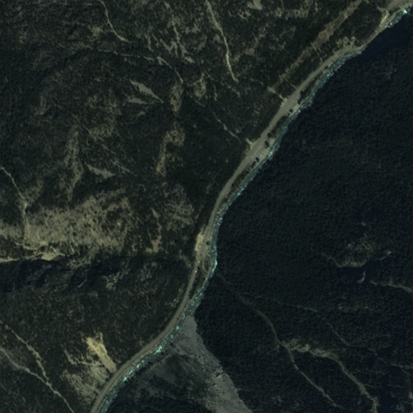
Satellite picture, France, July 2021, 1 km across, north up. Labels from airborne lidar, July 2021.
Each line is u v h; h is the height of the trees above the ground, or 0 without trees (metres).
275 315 7
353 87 10
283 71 14
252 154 0
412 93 13
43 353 8
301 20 17
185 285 6
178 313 0
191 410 13
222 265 16
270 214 11
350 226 11
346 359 8
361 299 12
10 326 7
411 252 15
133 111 7
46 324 8
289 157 12
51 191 10
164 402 7
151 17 7
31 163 10
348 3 6
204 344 5
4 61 13
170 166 9
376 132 9
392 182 12
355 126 8
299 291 7
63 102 9
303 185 11
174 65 7
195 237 7
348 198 13
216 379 0
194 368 0
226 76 11
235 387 6
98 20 7
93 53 8
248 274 10
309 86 8
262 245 10
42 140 8
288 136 14
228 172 7
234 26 7
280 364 9
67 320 9
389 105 16
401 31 12
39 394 8
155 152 7
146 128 11
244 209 16
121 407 11
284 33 8
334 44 6
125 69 6
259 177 10
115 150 8
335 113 13
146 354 0
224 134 13
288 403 9
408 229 14
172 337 0
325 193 16
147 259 9
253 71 10
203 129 11
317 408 15
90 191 6
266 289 12
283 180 14
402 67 14
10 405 8
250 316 15
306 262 12
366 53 0
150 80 9
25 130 9
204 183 13
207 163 12
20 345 6
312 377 13
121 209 8
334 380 16
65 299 7
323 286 13
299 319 11
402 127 10
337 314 15
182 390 7
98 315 10
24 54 11
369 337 11
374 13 9
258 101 7
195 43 8
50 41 7
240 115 8
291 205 11
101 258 8
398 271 11
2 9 10
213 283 13
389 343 8
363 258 8
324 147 13
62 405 11
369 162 8
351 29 8
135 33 6
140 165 7
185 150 12
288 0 9
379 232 13
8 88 17
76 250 6
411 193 14
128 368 0
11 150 11
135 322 8
